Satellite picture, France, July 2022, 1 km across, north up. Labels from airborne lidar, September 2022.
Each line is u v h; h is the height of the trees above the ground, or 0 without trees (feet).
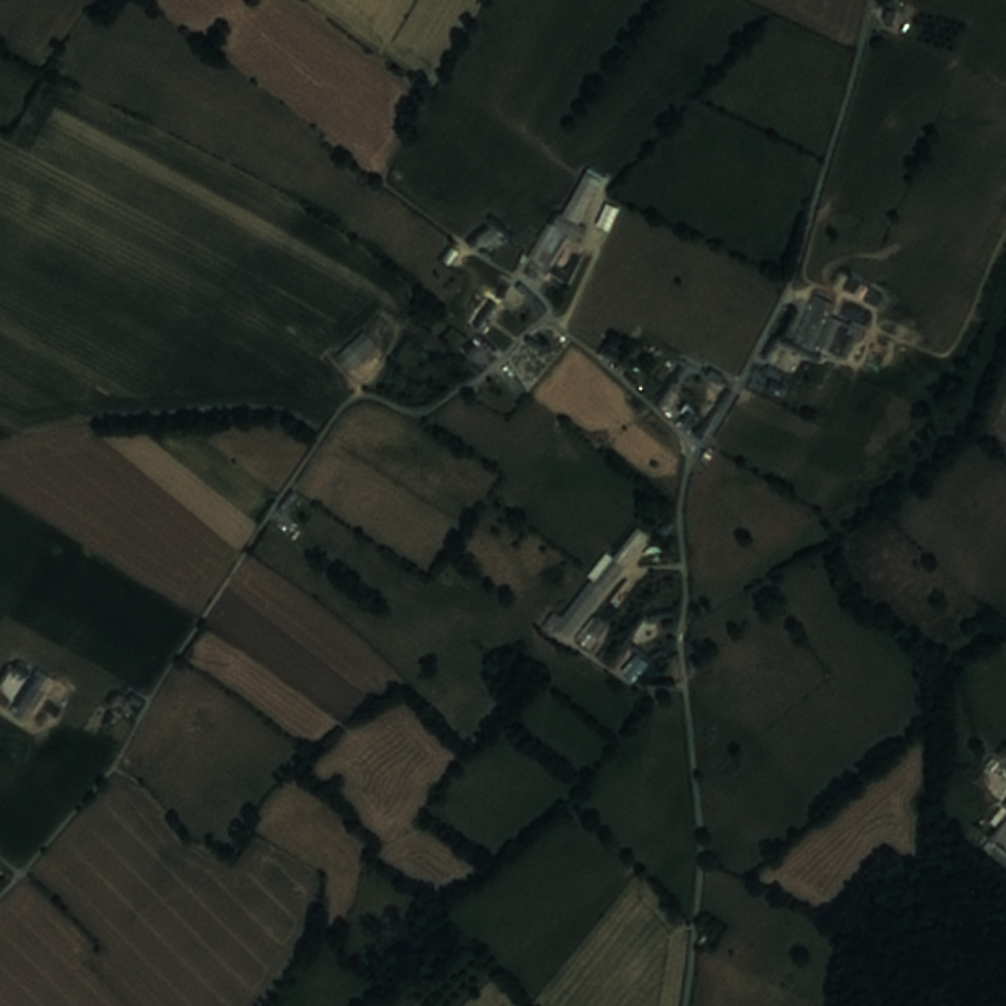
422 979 72
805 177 0
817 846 0
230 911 0
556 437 0
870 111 0
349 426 0
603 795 0
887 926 89
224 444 0
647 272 0
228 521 0
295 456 0
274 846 0
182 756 0
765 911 0
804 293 0
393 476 0
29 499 0
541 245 0
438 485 0
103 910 0
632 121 0
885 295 0
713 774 0
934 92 0
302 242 0
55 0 0
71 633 0
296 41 0
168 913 0
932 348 0
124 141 0
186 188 0
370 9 0
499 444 0
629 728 39
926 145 49
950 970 84
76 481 0
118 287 0
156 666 0
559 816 51
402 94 0
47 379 0
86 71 0
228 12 0
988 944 96
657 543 29
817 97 0
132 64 0
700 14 0
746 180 0
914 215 0
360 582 71
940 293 0
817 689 0
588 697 0
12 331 0
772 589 25
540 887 0
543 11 0
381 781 0
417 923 73
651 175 0
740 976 0
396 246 0
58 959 0
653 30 0
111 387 0
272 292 0
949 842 68
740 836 0
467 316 0
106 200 0
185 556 0
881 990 82
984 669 0
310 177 0
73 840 0
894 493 41
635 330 0
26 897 0
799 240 44
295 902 0
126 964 0
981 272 0
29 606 0
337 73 0
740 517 0
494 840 0
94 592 0
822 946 0
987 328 22
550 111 0
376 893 0
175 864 0
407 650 0
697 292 0
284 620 0
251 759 0
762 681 0
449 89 0
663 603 0
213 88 0
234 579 0
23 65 21
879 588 0
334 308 0
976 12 0
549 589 0
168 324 0
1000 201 0
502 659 53
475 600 0
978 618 24
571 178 0
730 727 0
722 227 0
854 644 0
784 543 0
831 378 0
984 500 0
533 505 0
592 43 0
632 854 40
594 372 0
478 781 0
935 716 54
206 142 0
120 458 0
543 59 0
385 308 0
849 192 0
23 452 0
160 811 0
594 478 0
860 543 0
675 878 0
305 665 0
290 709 0
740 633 42
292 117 0
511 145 0
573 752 0
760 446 0
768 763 0
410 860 0
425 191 0
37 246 0
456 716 0
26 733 0
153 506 0
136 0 36
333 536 0
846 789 73
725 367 0
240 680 0
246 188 0
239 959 0
